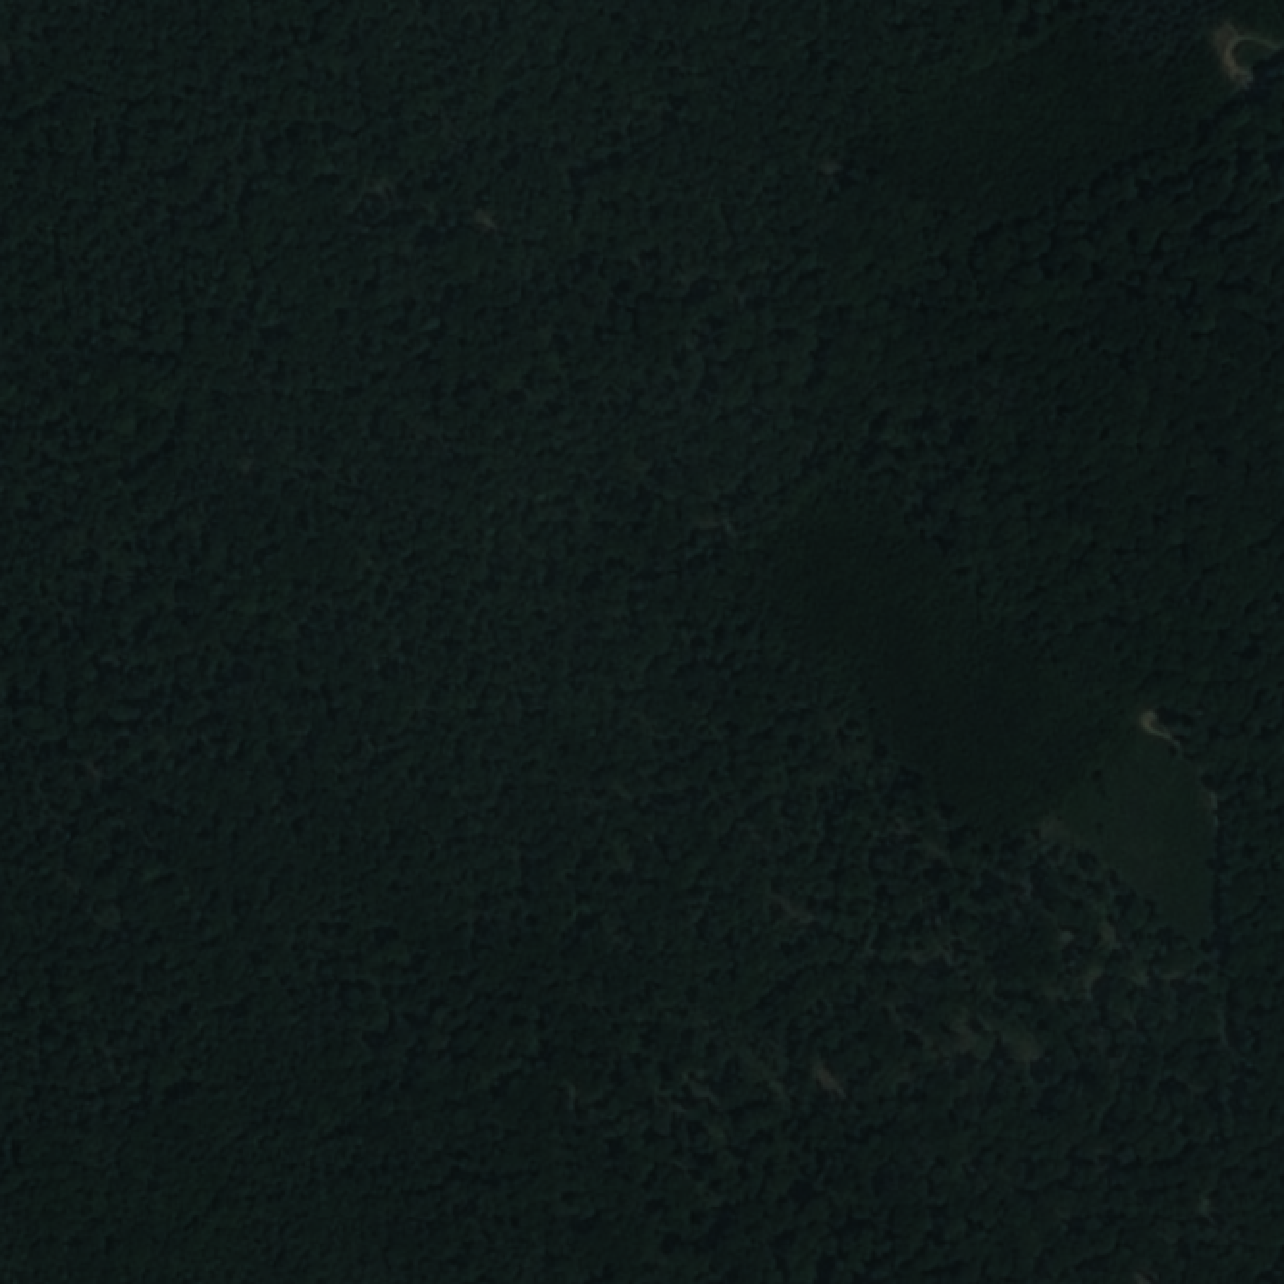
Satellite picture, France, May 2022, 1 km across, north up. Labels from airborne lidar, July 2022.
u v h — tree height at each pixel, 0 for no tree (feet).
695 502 79
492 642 49
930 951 84
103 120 54
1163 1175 99
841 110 73
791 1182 19
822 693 67
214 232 77
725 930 61
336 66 63
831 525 36
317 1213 49
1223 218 99
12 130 85
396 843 69
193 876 76
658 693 70
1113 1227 101
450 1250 69
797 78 72
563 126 67
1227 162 89
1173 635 88
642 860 82
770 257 63
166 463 52
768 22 65
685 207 79
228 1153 54
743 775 76
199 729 80
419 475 61
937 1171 100
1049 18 81
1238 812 73
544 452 61
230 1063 61
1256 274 107
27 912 61
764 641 77
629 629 69
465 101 55
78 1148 72
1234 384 101
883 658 42
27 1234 53
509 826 71
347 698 74
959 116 38
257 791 75
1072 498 92
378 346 67
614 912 64
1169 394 113
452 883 64
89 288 55
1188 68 52
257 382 76
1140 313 102
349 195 76
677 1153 91
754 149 67
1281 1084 90
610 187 98
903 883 80
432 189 79
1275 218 109
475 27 47
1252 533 113
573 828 75
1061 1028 82
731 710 77
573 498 73
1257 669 93
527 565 57
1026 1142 101
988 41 70
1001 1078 98
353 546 59
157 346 84
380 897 62
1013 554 74
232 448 63
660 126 59
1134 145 52
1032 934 85
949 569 28
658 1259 98
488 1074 73
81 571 68
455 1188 89
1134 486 104
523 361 82
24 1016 76
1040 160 50
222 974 68
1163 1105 101
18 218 54
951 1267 27
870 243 92
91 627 77
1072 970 82
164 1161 61
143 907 83
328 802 80
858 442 33
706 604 76
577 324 87
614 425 66
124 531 48
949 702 45
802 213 73
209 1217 75
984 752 44
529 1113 75
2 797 59
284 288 83
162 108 61
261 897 58
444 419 88
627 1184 85
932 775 40
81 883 67
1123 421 110
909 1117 101
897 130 27
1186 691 94
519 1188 78
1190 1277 98
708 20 66
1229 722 83
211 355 71
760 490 60
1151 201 105
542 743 66
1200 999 89
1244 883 80
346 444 71
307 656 68
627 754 65
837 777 81
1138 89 38
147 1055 69
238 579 73
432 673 62
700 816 80
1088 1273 100
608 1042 64
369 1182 62
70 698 95
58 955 64
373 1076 76
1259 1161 95
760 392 110
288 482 65
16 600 64
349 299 64
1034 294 113
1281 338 92
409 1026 79
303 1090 55
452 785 68
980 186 58
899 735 42
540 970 72
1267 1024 94
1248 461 95
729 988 67
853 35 69
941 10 79
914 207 86
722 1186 96
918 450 89
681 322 103
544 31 70
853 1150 86
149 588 73
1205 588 104
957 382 102
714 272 80
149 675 94
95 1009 71
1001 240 97
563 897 82
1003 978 88
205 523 45
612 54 102
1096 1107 95
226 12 78
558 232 72
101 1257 56
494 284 79
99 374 93
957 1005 90
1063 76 51
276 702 72
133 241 44
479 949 75
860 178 92
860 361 104
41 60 54
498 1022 92
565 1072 93
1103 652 77
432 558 67
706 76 66
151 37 68
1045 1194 104
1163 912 63
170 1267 54
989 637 43
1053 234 92
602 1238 99
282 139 62
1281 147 34
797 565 35
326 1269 58
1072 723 36
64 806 69
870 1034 84
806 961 57
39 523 61
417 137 73
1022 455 94
